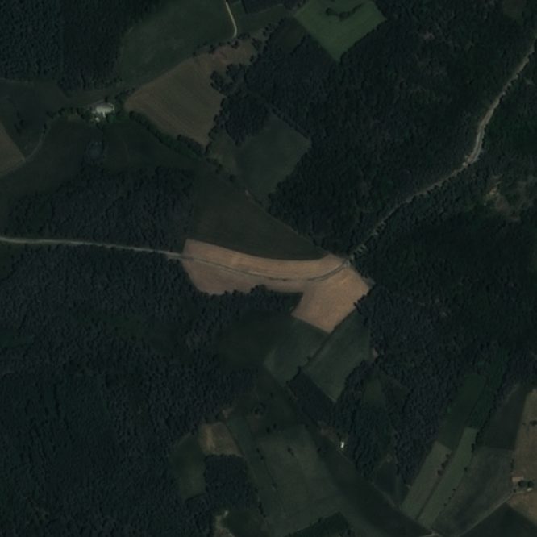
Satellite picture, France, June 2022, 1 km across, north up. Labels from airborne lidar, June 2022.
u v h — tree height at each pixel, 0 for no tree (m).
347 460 0
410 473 16
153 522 27
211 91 0
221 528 0
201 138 0
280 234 0
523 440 0
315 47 18
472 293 14
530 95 10
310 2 0
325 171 11
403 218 20
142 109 0
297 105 19
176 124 0
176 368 20
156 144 0
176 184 15
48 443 21
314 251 0
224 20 0
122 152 0
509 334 22
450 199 19
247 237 0
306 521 0
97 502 22
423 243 20
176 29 0
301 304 0
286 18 10
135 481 18
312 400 11
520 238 15
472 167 17
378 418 23
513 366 16
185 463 0
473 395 0
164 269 18
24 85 0
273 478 0
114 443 28
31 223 8
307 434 0
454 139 19
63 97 0
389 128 9
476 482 0
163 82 0
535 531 0
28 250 9
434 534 0
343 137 10
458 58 11
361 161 14
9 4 32
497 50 17
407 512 0
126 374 11
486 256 15
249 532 0
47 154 0
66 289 12
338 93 9
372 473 12
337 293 0
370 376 8
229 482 14
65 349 16
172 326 0
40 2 30
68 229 18
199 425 15
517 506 0
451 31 18
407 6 17
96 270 16
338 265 0
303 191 10
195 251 0
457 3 12
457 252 15
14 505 16
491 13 15
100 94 0
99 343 16
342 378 0
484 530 0
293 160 0
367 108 7
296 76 20
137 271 14
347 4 0
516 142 7
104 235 15
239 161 0
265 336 0
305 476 0
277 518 0
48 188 0
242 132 19
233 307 15
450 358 10
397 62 16
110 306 12
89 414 29
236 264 0
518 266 12
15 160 0
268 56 13
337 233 11
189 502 13
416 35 9
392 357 8
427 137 10
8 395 18
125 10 18
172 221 0
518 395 0
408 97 8
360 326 0
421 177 17
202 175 0
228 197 0
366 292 0
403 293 16
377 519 0
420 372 14
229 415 0
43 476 22
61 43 29
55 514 15
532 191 7
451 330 14
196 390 6
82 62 18
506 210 0
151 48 0
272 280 0
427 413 14
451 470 0
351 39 0
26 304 8
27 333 13
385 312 18
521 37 20
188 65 0
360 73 7
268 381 0
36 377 19
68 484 25
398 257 18
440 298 10
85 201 20
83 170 11
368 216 23
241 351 0
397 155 10
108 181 18
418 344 16
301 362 0
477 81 11
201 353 11
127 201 18
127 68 0
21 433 16
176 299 12
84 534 20
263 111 10
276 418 0
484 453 0
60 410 32
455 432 0
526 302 10
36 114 0
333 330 0
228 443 0
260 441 0
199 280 0
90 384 30
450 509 0
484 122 0
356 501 0
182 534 25
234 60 0
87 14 17
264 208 0
